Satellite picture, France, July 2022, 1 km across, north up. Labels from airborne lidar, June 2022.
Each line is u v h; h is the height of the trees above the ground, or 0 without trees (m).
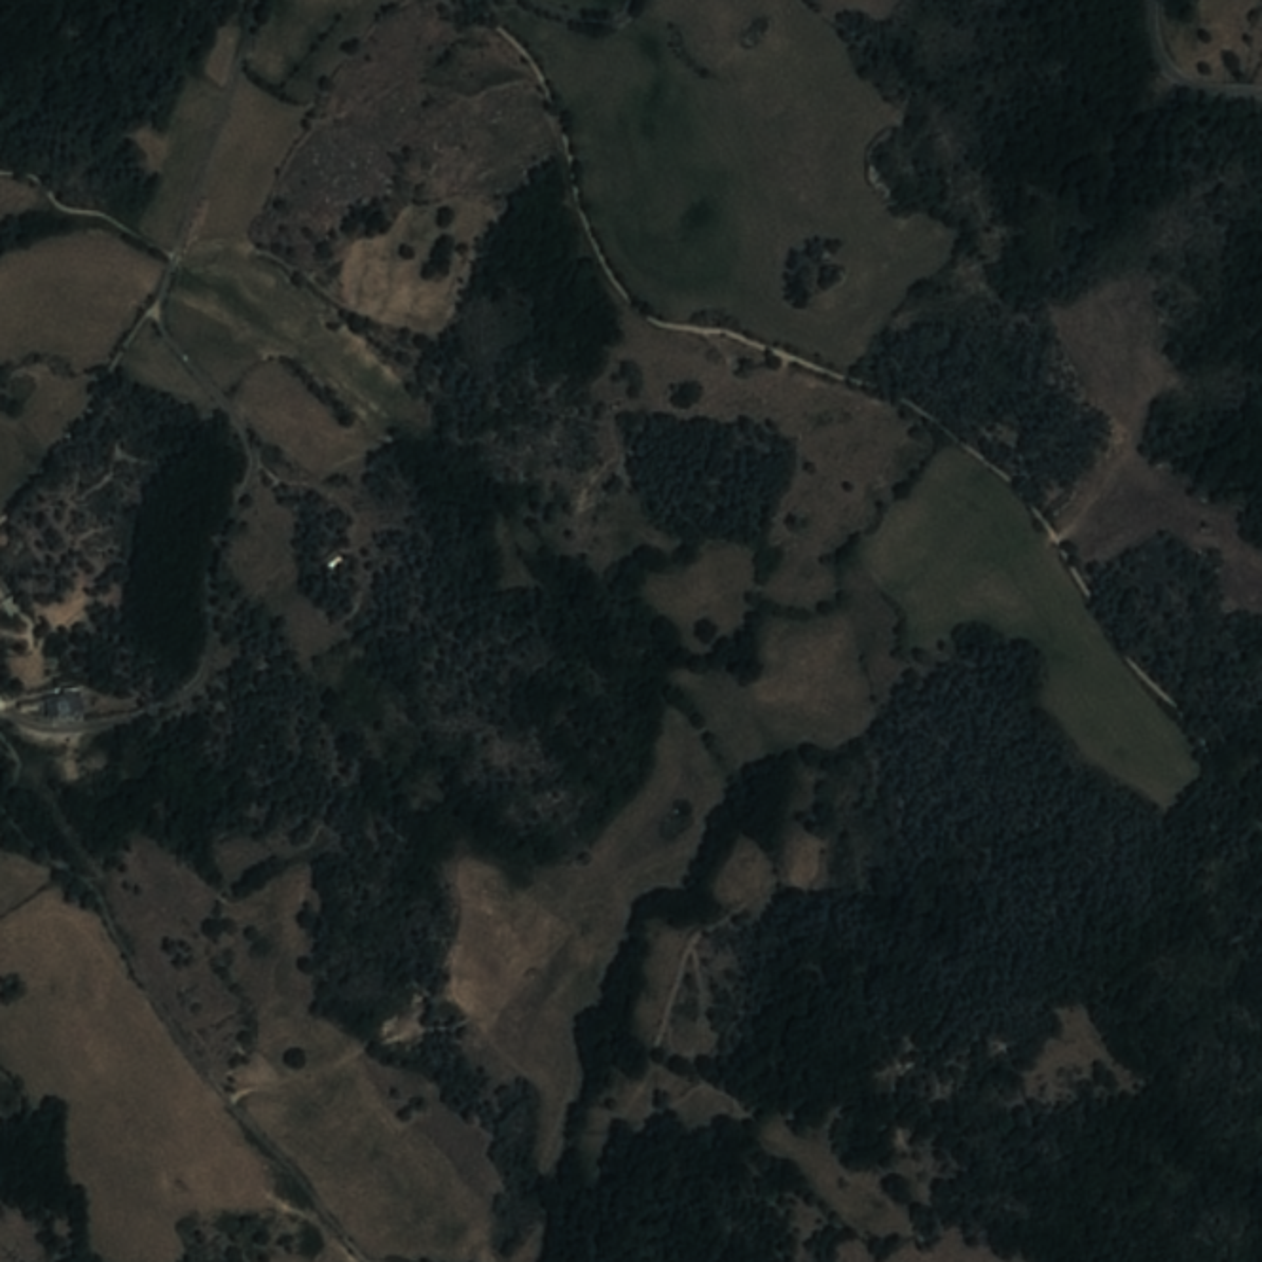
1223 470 16
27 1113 10
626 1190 9
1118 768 0
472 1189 0
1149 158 17
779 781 20
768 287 0
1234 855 17
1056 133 14
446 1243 0
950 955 8
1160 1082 12
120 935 0
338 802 12
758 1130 8
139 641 12
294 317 0
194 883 0
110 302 0
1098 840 19
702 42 0
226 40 0
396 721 0
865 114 0
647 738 9
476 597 15
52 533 9
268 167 0
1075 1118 6
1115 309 0
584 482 0
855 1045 11
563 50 0
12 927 0
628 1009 12
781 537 0
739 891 0
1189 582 8
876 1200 0
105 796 6
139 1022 0
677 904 18
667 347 0
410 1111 8
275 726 13
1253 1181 8
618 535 0
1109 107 21
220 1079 0
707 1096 0
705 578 0
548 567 8
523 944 0
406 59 0
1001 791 22
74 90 10
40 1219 11
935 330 18
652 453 18
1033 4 12
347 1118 0
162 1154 0
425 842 16
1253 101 6
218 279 0
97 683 12
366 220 8
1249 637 14
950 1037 10
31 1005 0
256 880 19
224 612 12
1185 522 0
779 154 0
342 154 0
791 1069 11
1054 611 0
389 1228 0
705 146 0
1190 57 0
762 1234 10
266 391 0
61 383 0
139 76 9
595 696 10
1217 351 11
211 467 16
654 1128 17
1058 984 15
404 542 10
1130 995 12
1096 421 20
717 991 8
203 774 15
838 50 0
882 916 14
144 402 8
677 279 0
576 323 14
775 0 0
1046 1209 14
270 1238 8
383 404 0
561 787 12
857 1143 17
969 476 0
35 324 0
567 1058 0
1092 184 18
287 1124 0
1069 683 0
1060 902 18
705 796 0
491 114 0
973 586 0
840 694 0
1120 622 21
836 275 9
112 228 0
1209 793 15
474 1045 0
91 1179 0
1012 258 8
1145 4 18
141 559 15
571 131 15
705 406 0
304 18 0
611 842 0
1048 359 17
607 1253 14
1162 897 15
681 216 0
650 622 7
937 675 9
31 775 0
